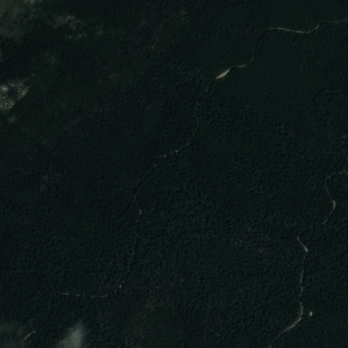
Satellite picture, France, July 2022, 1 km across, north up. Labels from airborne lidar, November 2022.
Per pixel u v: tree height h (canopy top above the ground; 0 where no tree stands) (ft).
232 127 58
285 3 47
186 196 87
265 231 27
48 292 56
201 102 61
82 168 43
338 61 55
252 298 87
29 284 70
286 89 31
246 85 41
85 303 78
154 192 30
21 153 52
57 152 69
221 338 58
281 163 58
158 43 51
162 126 33
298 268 77
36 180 64
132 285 62
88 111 41
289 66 54
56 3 21
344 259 88
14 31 0
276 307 77
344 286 49
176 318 38
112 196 53
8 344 46
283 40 44
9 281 23
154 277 37
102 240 61
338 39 44
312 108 67
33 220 38
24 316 57
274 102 51
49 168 67
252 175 60
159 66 72
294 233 95
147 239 95
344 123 53
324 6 46
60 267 63
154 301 33
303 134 60
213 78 43
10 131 61
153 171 62
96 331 46
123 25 43
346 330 52
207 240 63
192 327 58
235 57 54
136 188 28
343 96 55
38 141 58
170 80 62
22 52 32
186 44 58
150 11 38
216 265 79
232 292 71
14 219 72
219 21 52
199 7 55
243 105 52
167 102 46
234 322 83
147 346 42
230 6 56
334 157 71
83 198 41
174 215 79
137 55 66
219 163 70
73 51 60
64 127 53
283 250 63
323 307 32
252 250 94
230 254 98
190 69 66
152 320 40
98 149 53
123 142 52
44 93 65
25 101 46
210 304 102
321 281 56
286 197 65
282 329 45
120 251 79
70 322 64
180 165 71
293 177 35
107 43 47
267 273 110
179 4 54
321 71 45
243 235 57
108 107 46
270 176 69
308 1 54
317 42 36
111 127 67
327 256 76
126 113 41
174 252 83
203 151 35
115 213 79
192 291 90
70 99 26
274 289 73
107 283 79
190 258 80
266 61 52
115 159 31
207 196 93
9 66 53
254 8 57
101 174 40
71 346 77
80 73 55
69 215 54
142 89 59
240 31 69
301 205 52
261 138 67
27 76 24
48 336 96
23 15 0
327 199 35
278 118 47
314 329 54
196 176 50
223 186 68
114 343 101
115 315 72
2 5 0
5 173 55
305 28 36
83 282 56
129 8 51
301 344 63
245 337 69
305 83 31
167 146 38
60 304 75
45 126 28
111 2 55
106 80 40
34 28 26
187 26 58
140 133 38
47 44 42
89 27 38
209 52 27
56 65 21
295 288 71
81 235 52
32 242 39
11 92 21
